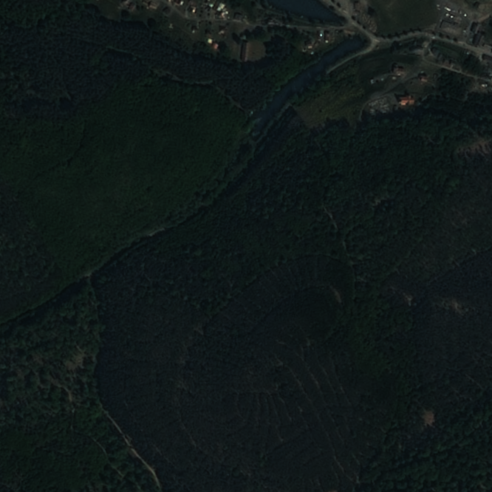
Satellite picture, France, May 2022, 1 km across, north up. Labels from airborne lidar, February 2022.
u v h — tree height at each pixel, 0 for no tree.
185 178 20
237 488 29
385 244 28
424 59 0
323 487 16
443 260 27
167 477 19
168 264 7
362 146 24
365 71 0
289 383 19
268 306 19
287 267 20
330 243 14
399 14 0
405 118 26
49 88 35
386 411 18
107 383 19
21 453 8
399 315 17
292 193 11
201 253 14
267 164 6
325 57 0
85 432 13
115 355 29
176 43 9
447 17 0
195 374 25
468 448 31
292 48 21
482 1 0
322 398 16
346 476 18
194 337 23
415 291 26
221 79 28
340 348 19
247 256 11
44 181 0
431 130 27
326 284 13
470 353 18
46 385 23
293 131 20
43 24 35
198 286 12
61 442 8
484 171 23
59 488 6
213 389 24
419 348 21
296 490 16
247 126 21
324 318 22
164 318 24
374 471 27
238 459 24
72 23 29
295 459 13
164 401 24
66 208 0
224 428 17
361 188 27
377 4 0
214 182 24
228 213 10
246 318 19
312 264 18
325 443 17
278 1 0
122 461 19
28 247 23
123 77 25
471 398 21
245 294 20
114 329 28
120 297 29
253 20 0
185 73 27
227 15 0
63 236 0
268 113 0
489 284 21
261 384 21
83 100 31
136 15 0
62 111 33
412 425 28
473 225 25
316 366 19
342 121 0
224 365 27
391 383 19
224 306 15
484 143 0
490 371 16
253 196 11
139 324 24
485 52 0
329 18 0
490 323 22
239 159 24
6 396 27
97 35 36
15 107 34
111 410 19
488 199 24
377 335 18
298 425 15
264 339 18
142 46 30
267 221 13
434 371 23
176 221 18
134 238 19
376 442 16
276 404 14
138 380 22
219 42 0
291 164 12
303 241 10
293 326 17
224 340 23
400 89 0
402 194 27
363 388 19
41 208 0
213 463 25
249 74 30
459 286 20
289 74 26
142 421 22
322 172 11
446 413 20
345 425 17
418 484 33
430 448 31
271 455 14
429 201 29
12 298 17
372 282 20
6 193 23
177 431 21
